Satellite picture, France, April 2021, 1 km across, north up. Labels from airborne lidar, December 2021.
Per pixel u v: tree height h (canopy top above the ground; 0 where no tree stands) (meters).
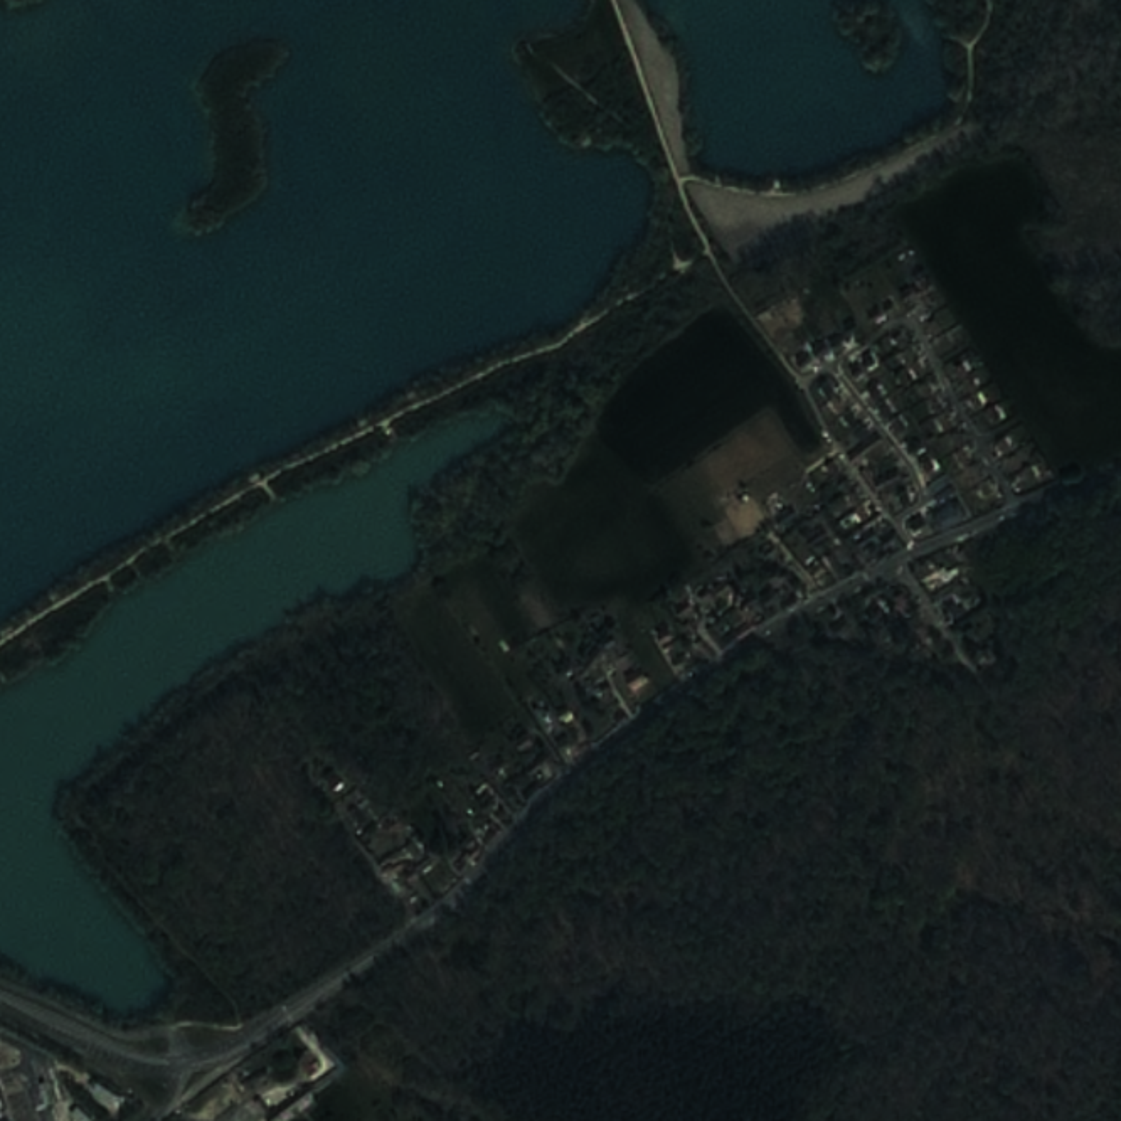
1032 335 0
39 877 0
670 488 0
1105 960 15
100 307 0
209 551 0
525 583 10
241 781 25
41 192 0
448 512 19
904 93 0
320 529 0
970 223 0
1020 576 7
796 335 0
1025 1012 12
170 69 0
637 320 7
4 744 0
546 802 11
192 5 0
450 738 12
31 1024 0
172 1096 0
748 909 14
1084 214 0
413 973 23
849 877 18
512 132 0
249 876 26
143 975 0
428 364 0
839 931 8
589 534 0
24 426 0
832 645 16
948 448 0
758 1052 29
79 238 0
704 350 0
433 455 0
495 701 0
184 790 27
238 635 0
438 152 0
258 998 16
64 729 0
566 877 21
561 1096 24
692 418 0
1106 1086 23
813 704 21
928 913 14
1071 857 6
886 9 15
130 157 0
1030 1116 20
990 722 19
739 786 18
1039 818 22
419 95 0
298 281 0
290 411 0
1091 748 24
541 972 29
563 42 0
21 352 0
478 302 0
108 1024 14
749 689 25
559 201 0
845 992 22
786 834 20
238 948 22
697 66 0
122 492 0
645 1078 23
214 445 0
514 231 0
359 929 14
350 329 0
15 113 0
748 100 0
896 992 24
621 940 29
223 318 0
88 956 0
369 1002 14
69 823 14
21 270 0
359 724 26
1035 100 6
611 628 0
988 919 29
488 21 0
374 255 0
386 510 0
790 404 0
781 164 0
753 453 0
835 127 0
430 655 0
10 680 6
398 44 0
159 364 0
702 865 18
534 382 20
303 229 0
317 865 20
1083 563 23
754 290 0
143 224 0
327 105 0
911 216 0
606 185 0
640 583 0
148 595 0
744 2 0
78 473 0
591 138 7
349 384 0
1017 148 8
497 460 19
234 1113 0
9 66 0
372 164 0
